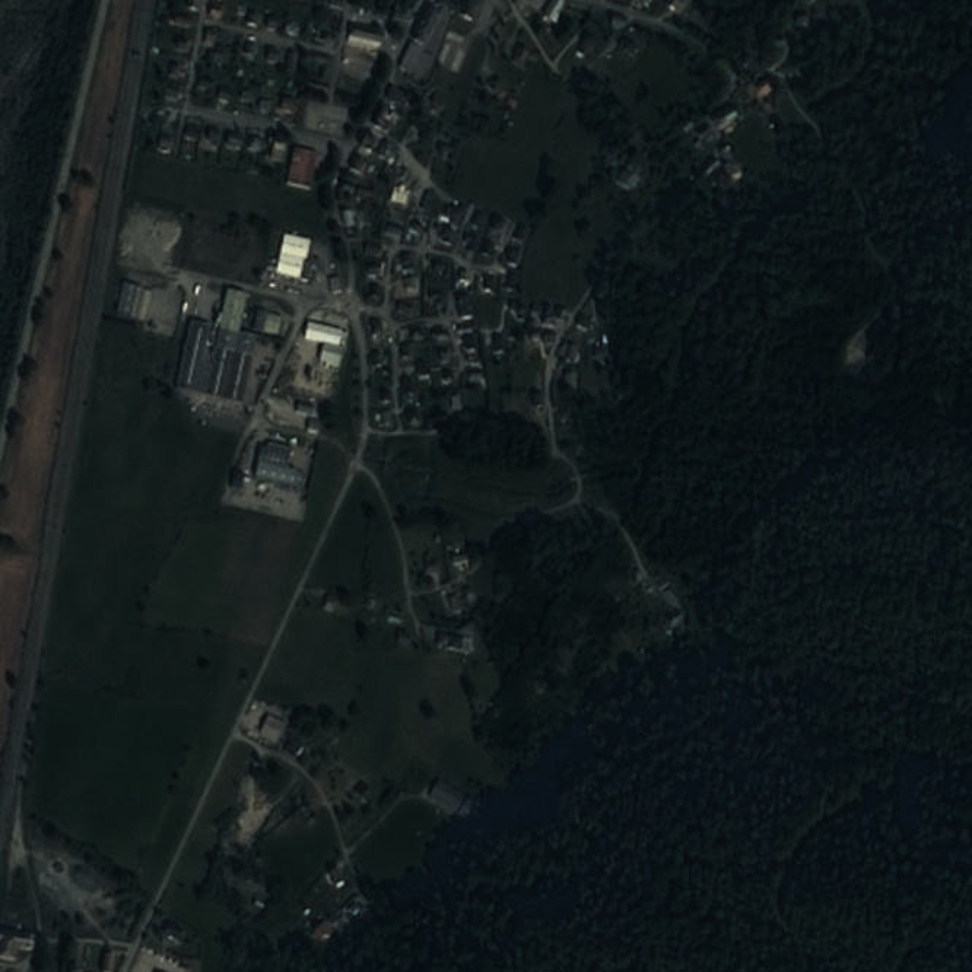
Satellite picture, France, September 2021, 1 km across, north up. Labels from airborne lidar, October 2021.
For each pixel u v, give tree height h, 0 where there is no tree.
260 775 10
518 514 0
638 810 28
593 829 21
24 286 12
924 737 29
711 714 26
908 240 20
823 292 14
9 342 13
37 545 0
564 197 0
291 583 0
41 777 0
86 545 0
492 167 0
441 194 0
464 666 0
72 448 0
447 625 7
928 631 21
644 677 16
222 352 0
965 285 23
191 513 0
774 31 24
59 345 0
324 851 0
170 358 0
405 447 0
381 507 0
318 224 0
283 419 0
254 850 7
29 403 0
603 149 8
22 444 0
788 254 21
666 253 10
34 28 6
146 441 0
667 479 18
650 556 12
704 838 32
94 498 0
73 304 0
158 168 0
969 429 29
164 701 0
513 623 7
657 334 22
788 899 18
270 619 0
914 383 17
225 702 0
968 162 12
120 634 0
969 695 20
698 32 7
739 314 17
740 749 28
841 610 23
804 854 8
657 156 11
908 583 23
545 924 26
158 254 0
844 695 27
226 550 0
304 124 0
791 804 15
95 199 0
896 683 27
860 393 9
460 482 0
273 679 0
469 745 0
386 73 13
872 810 9
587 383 0
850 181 12
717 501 16
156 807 0
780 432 27
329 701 0
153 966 0
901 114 14
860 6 0
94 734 0
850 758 25
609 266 13
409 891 0
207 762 0
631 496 7
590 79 0
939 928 12
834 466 8
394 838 0
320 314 0
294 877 0
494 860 26
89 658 0
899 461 15
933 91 16
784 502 6
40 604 0
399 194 0
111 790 0
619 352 24
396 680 0
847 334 9
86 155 0
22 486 0
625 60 0
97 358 0
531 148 0
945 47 32
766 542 18
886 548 24
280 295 0
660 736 23
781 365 10
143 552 0
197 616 0
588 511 0
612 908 28
